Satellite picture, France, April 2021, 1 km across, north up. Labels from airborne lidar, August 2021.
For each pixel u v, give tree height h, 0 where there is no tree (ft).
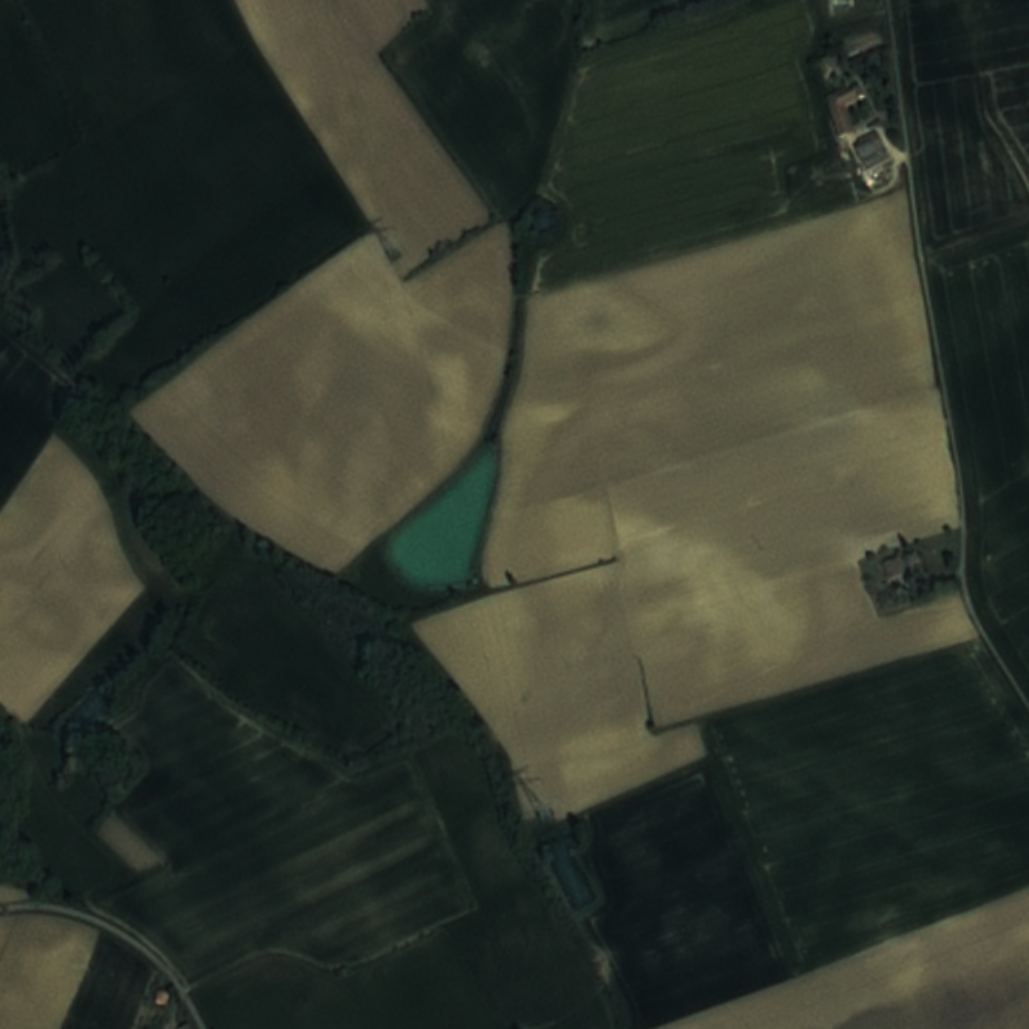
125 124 0
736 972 0
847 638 0
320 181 0
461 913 0
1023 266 0
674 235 0
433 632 0
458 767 0
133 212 0
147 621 0
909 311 0
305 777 0
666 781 0
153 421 0
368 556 0
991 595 0
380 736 0
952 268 0
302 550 0
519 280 59
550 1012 0
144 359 0
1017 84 0
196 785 0
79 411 91
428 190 0
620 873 0
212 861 0
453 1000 0
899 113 29
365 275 0
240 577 0
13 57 0
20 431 0
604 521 0
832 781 0
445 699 64
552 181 0
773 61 0
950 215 0
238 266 0
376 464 0
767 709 0
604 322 0
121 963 0
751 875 0
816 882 0
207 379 0
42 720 0
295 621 0
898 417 0
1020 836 0
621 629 0
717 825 0
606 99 0
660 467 0
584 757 0
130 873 0
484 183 0
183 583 55
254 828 0
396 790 0
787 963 0
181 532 102
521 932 0
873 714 0
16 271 95
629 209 0
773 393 0
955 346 0
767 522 0
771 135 0
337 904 0
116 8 0
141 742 0
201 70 0
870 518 0
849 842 0
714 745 0
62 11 0
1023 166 0
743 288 0
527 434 0
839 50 39
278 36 0
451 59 0
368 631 27
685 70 0
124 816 0
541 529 0
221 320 0
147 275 0
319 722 0
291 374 0
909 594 47
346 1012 0
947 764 0
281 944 0
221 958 0
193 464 0
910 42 0
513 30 0
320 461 0
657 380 0
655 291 0
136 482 50
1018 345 0
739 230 0
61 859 0
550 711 0
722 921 0
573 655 0
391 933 0
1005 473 0
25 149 0
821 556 0
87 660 0
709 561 0
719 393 0
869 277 0
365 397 0
